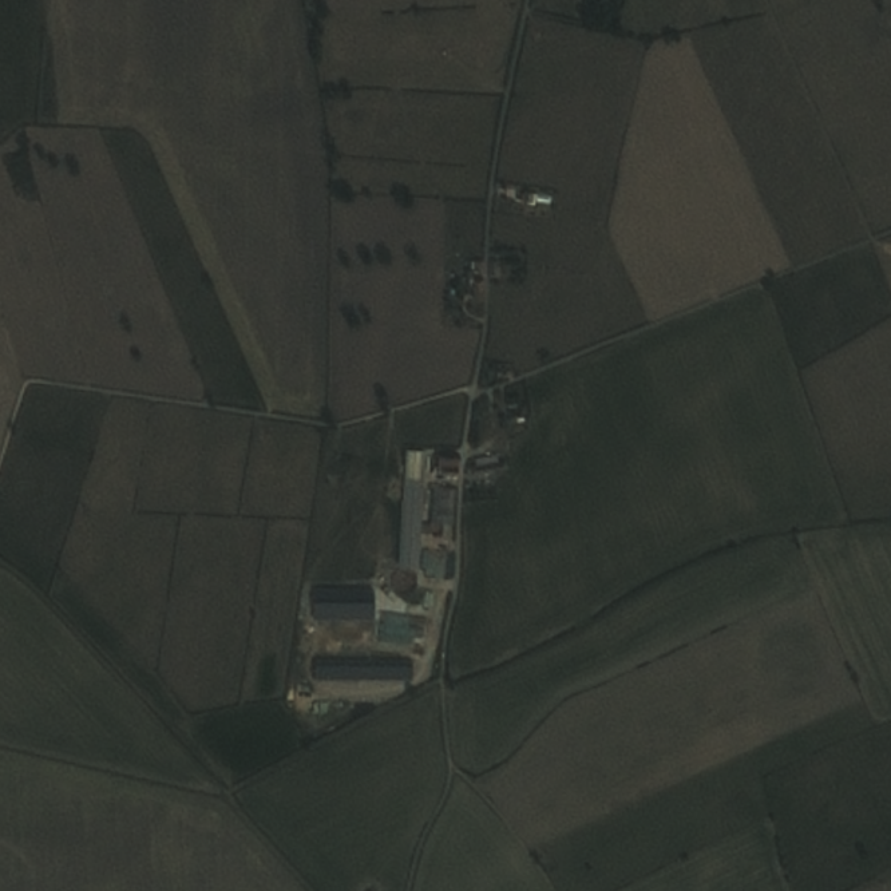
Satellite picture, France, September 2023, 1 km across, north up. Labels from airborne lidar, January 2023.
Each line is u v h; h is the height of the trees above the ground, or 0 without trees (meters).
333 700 0
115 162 0
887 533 0
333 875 0
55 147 0
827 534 0
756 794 0
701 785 0
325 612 0
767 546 0
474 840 0
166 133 0
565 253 0
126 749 0
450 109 0
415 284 0
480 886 0
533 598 0
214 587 0
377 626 0
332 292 0
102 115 0
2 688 0
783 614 0
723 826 0
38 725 0
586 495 0
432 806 0
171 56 0
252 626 0
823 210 0
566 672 0
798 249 0
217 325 0
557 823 0
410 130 0
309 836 0
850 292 0
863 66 0
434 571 0
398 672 0
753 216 0
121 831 0
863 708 0
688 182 0
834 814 0
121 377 0
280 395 0
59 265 0
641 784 0
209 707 0
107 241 0
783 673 0
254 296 0
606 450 0
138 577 0
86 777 0
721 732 0
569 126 0
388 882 0
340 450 0
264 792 0
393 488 0
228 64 0
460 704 0
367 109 0
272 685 0
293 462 0
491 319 0
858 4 0
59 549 0
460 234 0
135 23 0
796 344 0
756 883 0
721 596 0
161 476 0
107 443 0
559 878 0
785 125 0
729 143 0
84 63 0
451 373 0
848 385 0
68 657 0
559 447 0
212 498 0
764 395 0
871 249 0
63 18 0
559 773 0
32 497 0
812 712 0
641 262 0
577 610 0
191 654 0
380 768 0
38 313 0
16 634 0
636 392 0
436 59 0
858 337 0
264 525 0
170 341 0
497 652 0
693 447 0
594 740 0
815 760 0
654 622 0
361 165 0
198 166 0
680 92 0
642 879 0
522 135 0
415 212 0
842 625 0
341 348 0
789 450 0
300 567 0
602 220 0
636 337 0
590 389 0
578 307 0
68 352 0
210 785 0
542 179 0
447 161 0
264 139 0
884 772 0
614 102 0
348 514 0
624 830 0
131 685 0
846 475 0
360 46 0
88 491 0
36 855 0
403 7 0
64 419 0
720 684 0
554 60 0
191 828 0
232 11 0
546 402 0
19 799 0
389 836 0
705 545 0
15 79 0
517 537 0
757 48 0
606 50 0
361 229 0
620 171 0
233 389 0
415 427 0
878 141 0
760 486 0
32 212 0
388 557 0
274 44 0
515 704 0
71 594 0
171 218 0
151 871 0
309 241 0
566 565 0
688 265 0
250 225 0
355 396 0
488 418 0
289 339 0
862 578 0
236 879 0
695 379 0
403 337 0
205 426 0
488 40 0
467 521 0
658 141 0
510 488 0
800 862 0
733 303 0
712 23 0
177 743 0
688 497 0
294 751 0
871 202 0
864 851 12
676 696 0
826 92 0
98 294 0
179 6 0
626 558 0
